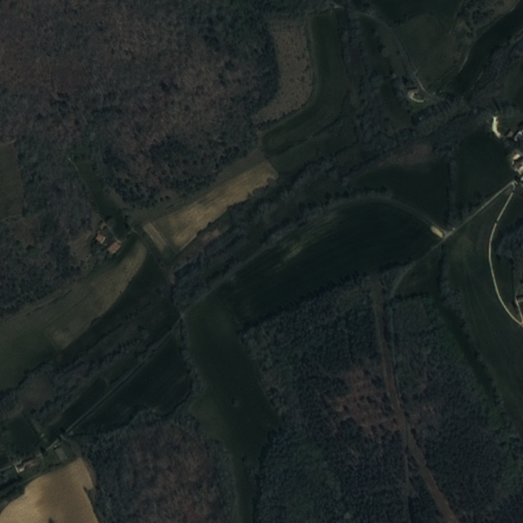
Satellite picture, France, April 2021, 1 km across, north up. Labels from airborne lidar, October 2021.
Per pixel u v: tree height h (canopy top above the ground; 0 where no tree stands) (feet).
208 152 38
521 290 0
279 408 49
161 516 63
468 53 0
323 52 0
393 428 26
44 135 39
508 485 59
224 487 80
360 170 43
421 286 0
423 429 38
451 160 52
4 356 0
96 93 59
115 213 0
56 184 46
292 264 0
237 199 0
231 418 0
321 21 0
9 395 49
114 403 0
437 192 0
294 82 23
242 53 63
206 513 75
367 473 59
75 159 47
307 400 74
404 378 30
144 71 45
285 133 0
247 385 0
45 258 40
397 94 64
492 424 62
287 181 0
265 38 51
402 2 0
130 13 20
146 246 0
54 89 58
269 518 73
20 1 29
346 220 0
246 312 0
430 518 72
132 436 50
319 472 76
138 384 0
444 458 87
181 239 0
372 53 0
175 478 72
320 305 78
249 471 24
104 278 0
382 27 0
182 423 51
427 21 0
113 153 54
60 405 41
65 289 36
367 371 47
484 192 0
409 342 48
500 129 0
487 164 0
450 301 71
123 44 50
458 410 91
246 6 68
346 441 81
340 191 0
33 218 55
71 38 31
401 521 63
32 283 63
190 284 45
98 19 23
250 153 45
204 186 49
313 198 0
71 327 0
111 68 31
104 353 0
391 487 67
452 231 84
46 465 0
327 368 89
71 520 0
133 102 68
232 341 0
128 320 39
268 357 66
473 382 70
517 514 65
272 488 60
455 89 0
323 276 0
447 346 80
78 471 0
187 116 24
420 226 0
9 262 58
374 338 86
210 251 50
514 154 57
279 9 29
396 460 58
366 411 45
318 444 85
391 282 56
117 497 53
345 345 85
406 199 0
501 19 0
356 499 71
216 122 58
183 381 0
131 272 0
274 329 64
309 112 0
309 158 0
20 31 34
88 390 0
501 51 59
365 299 17
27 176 46
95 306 0
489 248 0
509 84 0
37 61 36
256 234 0
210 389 0
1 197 0
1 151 0
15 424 0
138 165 38
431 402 90
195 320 0
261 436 0
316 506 77
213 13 64
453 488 67
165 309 0
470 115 46
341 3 0
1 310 43
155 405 0
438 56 0
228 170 0
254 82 45
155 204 34
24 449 0
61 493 0
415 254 0
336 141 0
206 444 48
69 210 67
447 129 52
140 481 69
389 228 0
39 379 0
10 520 0
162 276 0
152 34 63
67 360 0
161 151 63
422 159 0
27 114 39
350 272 0
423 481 63
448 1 0
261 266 0
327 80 0
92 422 0
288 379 61
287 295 0
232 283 0
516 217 0
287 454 78
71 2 56
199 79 50
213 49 75
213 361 0
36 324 0
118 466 38
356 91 0
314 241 0
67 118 51
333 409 63
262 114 25
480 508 76
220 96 23
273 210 78
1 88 37
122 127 34
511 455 48
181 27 52
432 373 66
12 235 37
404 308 38
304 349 77
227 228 0
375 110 45
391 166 0
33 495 0
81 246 0
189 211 0
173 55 20
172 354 0
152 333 0
